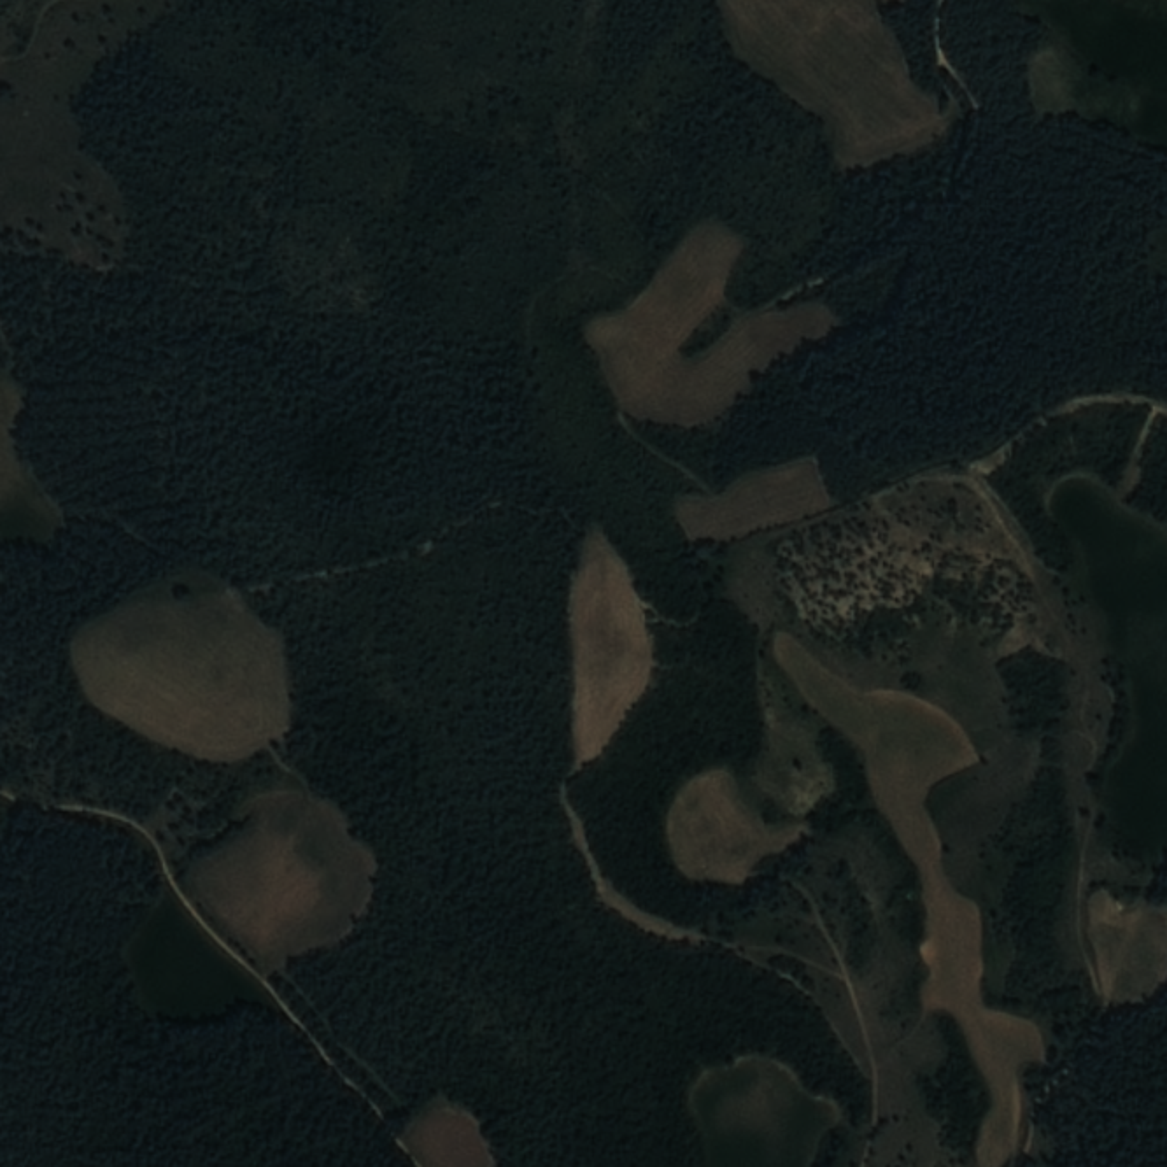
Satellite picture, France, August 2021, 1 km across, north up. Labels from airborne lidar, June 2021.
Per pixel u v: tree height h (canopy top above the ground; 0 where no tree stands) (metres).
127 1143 6
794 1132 0
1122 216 11
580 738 0
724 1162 0
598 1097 8
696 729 6
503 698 8
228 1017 6
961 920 0
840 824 7
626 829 9
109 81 8
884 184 12
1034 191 12
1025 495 8
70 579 19
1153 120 0
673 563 6
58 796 10
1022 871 9
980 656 0
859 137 0
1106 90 0
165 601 0
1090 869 0
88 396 11
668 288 0
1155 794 0
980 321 18
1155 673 0
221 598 0
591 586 0
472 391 7
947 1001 0
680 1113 12
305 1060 15
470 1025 9
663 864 11
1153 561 0
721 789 0
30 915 12
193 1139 9
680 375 0
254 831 0
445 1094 6
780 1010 10
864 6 0
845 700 0
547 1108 8
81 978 11
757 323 0
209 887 0
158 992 0
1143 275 8
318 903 0
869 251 8
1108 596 0
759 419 8
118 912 11
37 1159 8
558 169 7
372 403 10
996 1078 0
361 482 6
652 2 6
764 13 0
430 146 7
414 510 7
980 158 15
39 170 0
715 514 0
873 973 0
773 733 0
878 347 19
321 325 7
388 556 6
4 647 8
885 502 0
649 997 6
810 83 0
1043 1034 0
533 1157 8
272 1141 14
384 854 7
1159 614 0
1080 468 8
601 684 0
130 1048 14
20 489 0
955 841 0
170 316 15
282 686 0
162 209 6
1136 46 0
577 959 8
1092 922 0
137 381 13
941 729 0
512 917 10
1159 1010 14
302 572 7
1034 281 13
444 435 8
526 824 8
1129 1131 8
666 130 8
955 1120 7
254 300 9
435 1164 0
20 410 0
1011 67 7
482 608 9
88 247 0
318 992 11
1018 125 9
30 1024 9
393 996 7
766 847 0
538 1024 7
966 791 0
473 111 8
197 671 0
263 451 8
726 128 7
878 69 0
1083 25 0
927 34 9
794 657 0
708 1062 11
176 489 12
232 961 0
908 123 0
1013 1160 0
